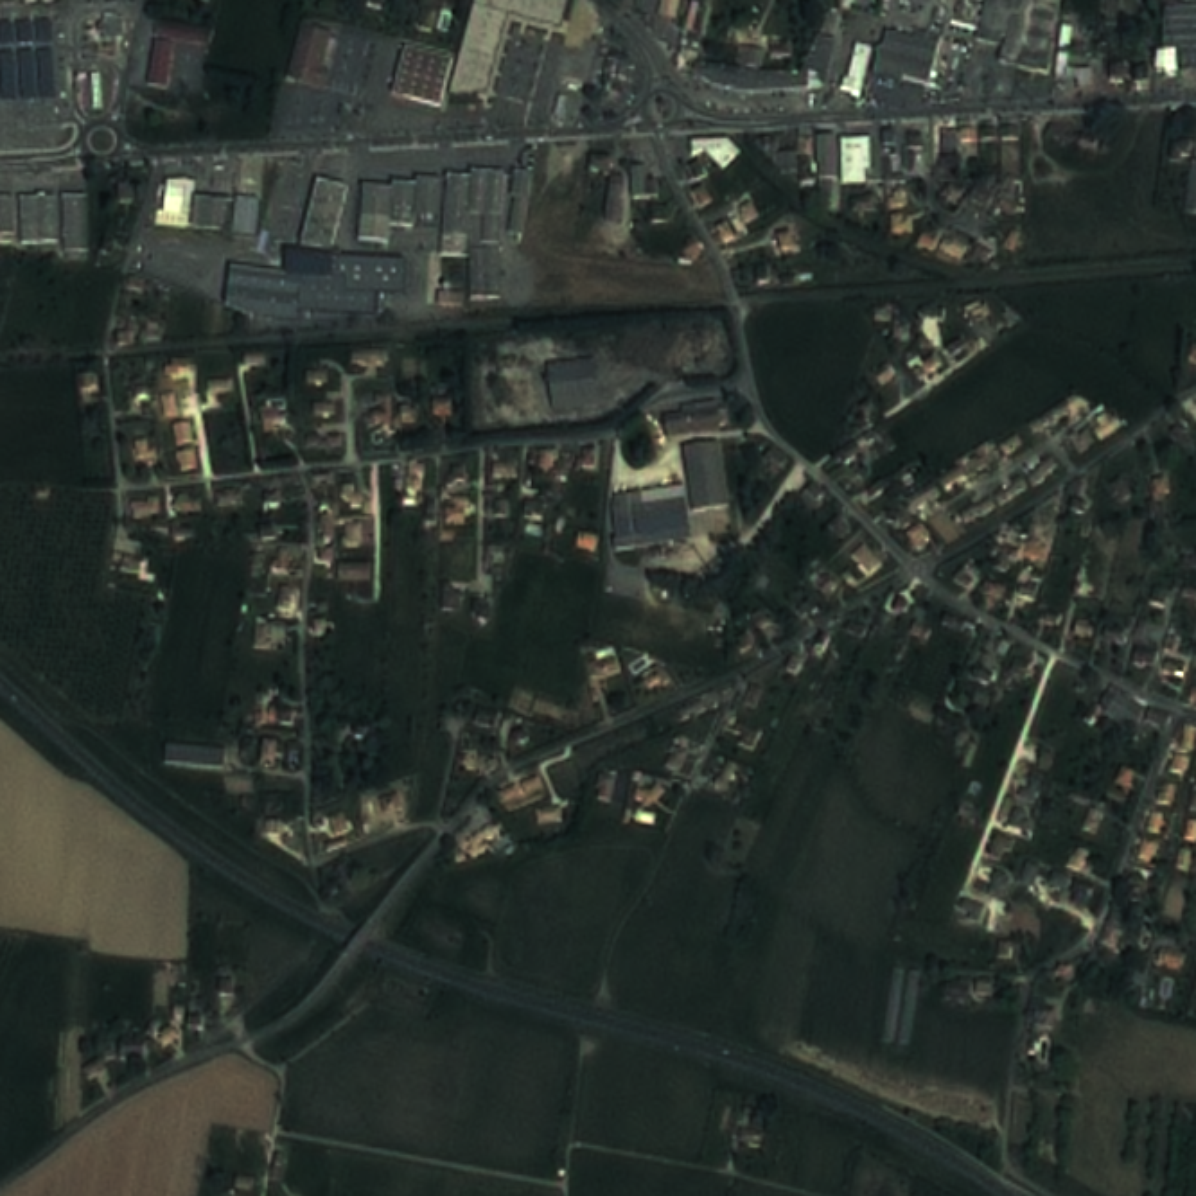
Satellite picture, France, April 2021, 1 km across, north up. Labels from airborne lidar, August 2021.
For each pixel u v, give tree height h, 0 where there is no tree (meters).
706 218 0
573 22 0
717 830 0
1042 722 0
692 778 0
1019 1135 0
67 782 0
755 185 0
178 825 0
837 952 0
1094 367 0
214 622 0
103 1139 0
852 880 0
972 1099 0
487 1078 0
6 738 0
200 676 0
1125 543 0
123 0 0
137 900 0
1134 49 6
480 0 0
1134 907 7
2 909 0
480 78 0
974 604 6
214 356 0
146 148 0
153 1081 0
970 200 6
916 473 7
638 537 0
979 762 0
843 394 0
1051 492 0
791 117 0
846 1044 0
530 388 0
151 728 0
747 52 0
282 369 8
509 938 0
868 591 0
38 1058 0
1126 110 13
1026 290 0
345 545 0
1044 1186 0
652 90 0
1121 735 13
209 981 0
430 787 0
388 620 0
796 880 0
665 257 0
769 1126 16
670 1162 0
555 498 13
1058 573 0
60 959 0
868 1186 0
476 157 0
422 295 0
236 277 0
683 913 0
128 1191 0
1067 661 0
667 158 0
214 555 0
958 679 11
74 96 0
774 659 0
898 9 0
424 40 0
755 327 0
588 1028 0
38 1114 0
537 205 0
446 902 0
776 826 0
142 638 9
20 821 0
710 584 11
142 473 10
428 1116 0
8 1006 0
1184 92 0
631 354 0
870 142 0
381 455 0
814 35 6
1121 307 0
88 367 10
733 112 0
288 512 0
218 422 0
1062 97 0
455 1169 0
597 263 0
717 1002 0
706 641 0
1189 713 0
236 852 0
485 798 8
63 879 0
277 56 0
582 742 0
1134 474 0
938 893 0
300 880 0
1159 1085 0
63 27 0
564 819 7
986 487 0
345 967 0
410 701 0
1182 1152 6
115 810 0
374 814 0
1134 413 0
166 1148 0
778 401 0
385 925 0
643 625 0
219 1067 0
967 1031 0
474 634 0
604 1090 0
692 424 0
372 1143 0
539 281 0
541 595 0
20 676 0
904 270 15
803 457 0
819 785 0
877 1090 0
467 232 0
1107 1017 0
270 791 0
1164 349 0
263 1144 0
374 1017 0
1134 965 14
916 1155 0
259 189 0
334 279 0
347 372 0
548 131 0
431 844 0
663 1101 0
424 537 12
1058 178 0
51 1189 0
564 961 0
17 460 0
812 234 0
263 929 0
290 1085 0
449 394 8
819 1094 0
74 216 0
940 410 0
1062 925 0
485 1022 0
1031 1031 7
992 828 0
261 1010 0
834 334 0
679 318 8
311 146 0
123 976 0
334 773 9
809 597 6
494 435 8
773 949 0
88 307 0
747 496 9
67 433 0
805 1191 0
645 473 0
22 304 0
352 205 0
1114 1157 0
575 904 0
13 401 0
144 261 0
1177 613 6
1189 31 0
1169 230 0
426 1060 0
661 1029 0
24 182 0
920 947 0
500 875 0
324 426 0
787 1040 0
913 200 0
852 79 0
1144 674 0
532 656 0
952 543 0
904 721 0
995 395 0
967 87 0
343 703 9
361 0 10
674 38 0
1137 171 0
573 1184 0
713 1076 0
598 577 0
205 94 0
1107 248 0
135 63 0
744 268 10
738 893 7
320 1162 0
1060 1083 7
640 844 0
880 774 0
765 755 6
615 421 10
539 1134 0
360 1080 0
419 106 0
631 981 0
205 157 0
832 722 6
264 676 0
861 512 0
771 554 17
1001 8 0
